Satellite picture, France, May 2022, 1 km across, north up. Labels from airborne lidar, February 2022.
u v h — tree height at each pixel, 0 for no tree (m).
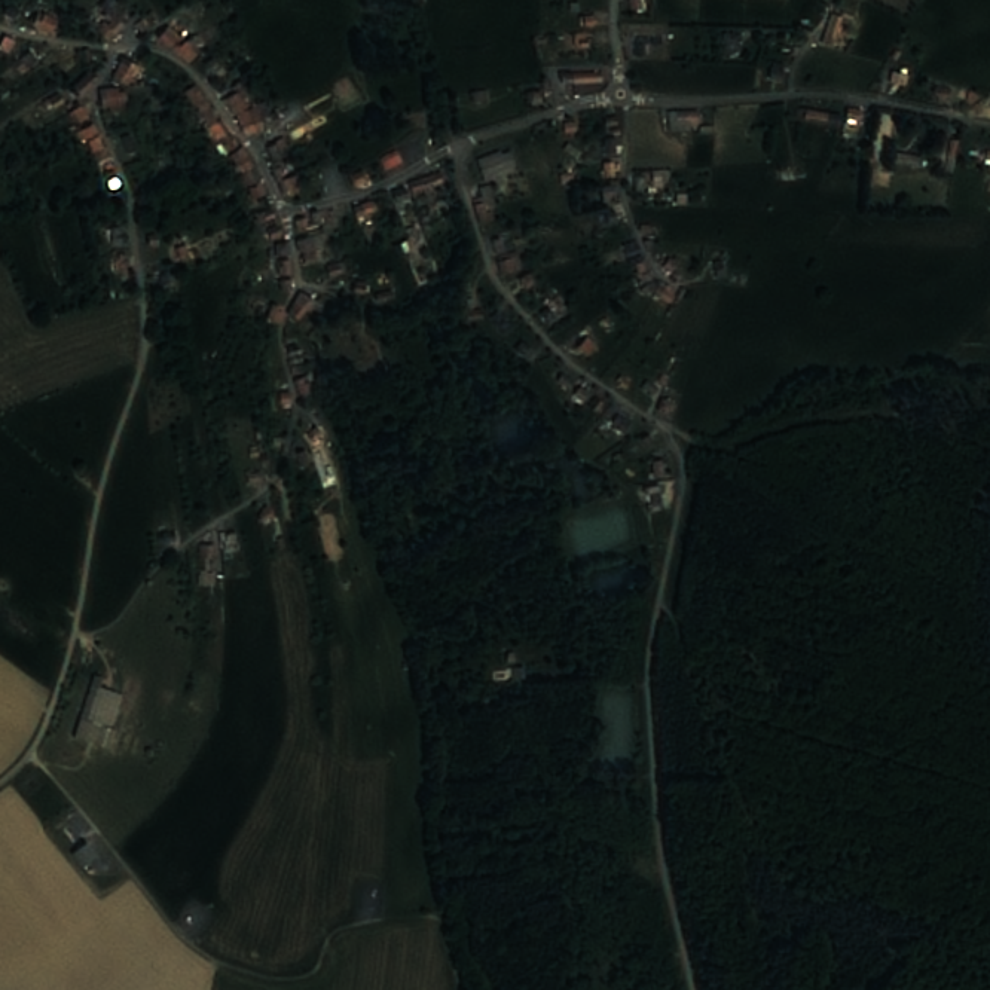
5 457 0
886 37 0
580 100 0
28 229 0
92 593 0
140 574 0
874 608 7
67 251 0
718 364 0
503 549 25
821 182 0
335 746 0
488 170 0
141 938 0
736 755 8
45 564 0
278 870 0
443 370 18
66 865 0
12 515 0
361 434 13
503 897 20
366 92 0
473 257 18
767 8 0
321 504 0
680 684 12
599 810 22
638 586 23
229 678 0
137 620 0
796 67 0
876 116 18
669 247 0
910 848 8
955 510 9
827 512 15
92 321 0
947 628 12
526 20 0
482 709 19
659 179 0
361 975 0
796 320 0
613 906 23
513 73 0
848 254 0
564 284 0
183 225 0
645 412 0
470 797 19
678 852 21
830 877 15
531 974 22
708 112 0
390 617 0
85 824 0
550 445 30
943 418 23
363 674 0
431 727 16
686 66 8
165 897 0
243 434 0
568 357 0
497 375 17
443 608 9
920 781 9
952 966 25
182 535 0
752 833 18
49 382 0
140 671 0
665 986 24
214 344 0
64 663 0
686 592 13
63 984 0
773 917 25
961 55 0
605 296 0
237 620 0
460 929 23
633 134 0
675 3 0
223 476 9
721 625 12
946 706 8
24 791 0
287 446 0
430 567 19
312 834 0
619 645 26
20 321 0
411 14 21
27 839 0
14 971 0
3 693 0
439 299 22
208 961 0
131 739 0
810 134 0
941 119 6
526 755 20
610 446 0
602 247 7
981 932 20
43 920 0
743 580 12
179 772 0
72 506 0
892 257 0
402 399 23
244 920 0
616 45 0
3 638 0
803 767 12
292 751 0
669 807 25
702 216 0
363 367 0
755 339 0
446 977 0
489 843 28
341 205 0
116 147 0
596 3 0
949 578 11
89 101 0
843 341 0
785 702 9
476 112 0
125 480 0
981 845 10
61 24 8
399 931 0
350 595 0
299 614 0
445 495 17
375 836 0
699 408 0
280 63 0
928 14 0
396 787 0
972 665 14
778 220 0
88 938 0
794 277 0
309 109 0
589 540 0
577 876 24
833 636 9
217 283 0
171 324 15
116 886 0
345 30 0
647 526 0
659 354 0
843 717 8
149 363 0
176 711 0
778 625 14
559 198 0
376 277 0
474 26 0
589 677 19
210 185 7
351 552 0
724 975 26
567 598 26
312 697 0
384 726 0
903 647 10
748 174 0
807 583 9
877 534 12
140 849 0
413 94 0
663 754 14
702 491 16
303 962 0
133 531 0
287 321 0
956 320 0
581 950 21
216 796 0
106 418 0
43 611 0
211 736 0
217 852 0
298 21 0
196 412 0
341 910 0
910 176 0
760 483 14
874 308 0
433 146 0
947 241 0
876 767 6
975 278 0
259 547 0
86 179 11
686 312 0
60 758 0
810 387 21
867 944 21
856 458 8
